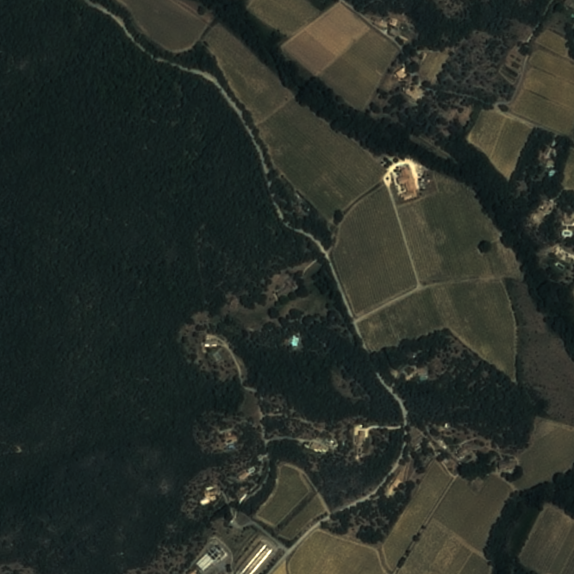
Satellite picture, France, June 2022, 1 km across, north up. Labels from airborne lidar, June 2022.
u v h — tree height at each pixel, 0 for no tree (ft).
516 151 0
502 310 0
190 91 45
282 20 0
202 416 50
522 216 27
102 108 35
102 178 39
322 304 0
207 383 20
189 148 56
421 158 59
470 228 0
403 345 45
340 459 23
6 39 23
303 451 25
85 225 26
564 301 35
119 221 30
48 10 34
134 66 57
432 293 0
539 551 0
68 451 22
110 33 26
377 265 0
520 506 45
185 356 30
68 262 34
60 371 30
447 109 31
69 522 17
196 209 30
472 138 0
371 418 30
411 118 34
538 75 0
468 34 31
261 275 27
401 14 32
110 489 25
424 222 0
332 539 0
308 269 0
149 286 58
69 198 28
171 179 27
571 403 0
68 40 31
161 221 26
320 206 0
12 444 24
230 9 66
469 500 0
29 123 32
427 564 0
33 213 33
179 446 21
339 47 0
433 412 45
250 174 33
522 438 35
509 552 52
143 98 36
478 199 43
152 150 31
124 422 28
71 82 46
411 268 0
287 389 22
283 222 32
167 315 41
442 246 0
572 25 20
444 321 0
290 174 0
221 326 36
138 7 0
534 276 58
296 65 39
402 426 21
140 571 21
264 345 27
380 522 34
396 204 0
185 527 33
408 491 25
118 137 38
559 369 0
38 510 23
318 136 0
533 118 0
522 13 31
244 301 42
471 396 31
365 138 42
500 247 0
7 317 17
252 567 0
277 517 0
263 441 20
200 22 0
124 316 34
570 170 0
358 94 0
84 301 43
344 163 0
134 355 21
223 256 23
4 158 24
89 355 39
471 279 0
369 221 0
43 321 32
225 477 20
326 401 31
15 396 22
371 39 0
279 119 0
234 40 0
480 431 42
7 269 39
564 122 0
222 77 42
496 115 0
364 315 0
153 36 0
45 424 28
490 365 36
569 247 36
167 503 22
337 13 0
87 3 26
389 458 27
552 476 0
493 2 32
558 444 0
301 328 45
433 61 0
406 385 20
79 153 44
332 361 40
